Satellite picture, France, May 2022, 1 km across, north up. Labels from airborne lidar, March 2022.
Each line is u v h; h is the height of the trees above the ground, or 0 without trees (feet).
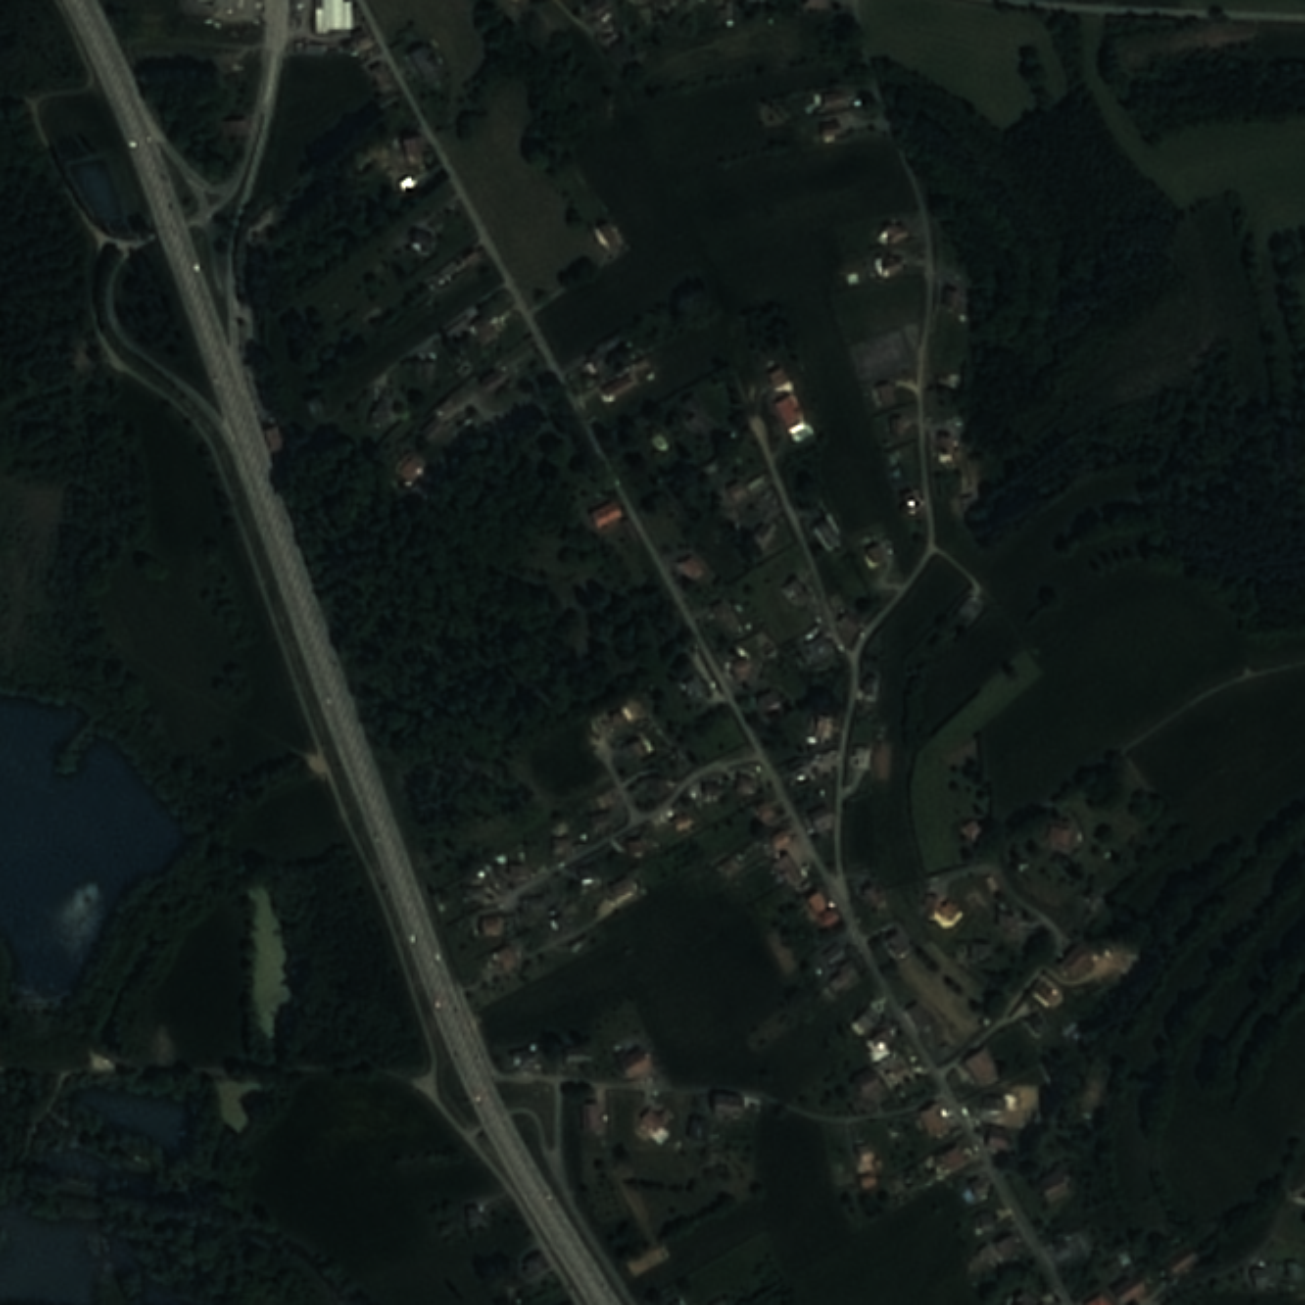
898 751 0
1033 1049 0
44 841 0
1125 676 0
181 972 0
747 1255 0
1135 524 56
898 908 0
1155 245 45
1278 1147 0
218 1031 0
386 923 0
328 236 33
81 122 0
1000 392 50
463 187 0
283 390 63
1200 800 0
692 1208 0
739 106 0
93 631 51
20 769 0
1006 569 0
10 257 44
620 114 0
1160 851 19
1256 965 0
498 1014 0
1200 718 0
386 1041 45
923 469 0
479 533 84
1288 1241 0
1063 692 0
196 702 0
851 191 0
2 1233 47
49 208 52
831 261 0
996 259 52
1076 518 0
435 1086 0
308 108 0
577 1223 0
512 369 0
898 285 0
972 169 79
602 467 66
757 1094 0
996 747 0
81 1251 0
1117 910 62
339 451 91
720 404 0
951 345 0
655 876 0
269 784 29
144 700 39
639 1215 0
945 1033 0
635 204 0
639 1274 0
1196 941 32
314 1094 0
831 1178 0
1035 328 69
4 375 28
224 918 0
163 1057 0
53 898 0
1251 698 0
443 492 72
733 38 0
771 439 0
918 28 0
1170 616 0
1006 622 0
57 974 0
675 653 33
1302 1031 0
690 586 42
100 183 0
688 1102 0
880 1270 0
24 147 48
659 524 0
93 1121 49
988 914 0
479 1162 0
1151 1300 0
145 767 32
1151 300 32
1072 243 35
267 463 0
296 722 0
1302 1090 0
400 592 99
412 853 0
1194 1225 64
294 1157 0
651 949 0
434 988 0
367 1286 0
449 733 108
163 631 0
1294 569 87
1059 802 29
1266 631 32
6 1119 27
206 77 83
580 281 40
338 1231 0
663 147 0
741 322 0
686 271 0
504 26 44
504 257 0
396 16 0
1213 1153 0
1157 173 0
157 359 0
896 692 0
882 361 0
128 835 0
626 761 0
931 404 0
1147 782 0
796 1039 0
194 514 0
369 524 85
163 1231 55
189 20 0
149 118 0
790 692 0
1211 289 0
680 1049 0
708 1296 0
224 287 0
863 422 0
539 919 0
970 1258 0
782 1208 0
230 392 0
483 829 0
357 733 0
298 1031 73
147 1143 49
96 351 45
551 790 0
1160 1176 27
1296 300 50
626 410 0
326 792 0
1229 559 79
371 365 0
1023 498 90
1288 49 0
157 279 53
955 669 0
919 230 0
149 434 0
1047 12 29
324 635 0
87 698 36
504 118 0
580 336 0
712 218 0
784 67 0
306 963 47
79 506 38
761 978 0
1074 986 0
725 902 0
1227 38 0
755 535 31
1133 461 27
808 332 0
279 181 0
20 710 0
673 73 0
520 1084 0
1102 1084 0
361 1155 0
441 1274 0
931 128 67
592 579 0
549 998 0
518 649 99
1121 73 64
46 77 0
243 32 0
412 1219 0
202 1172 72
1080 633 0
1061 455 33
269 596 0
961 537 0
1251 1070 56
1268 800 0
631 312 0
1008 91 0
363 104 0
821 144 0
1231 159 0
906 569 0
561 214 0
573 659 83
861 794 0
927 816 0
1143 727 0
